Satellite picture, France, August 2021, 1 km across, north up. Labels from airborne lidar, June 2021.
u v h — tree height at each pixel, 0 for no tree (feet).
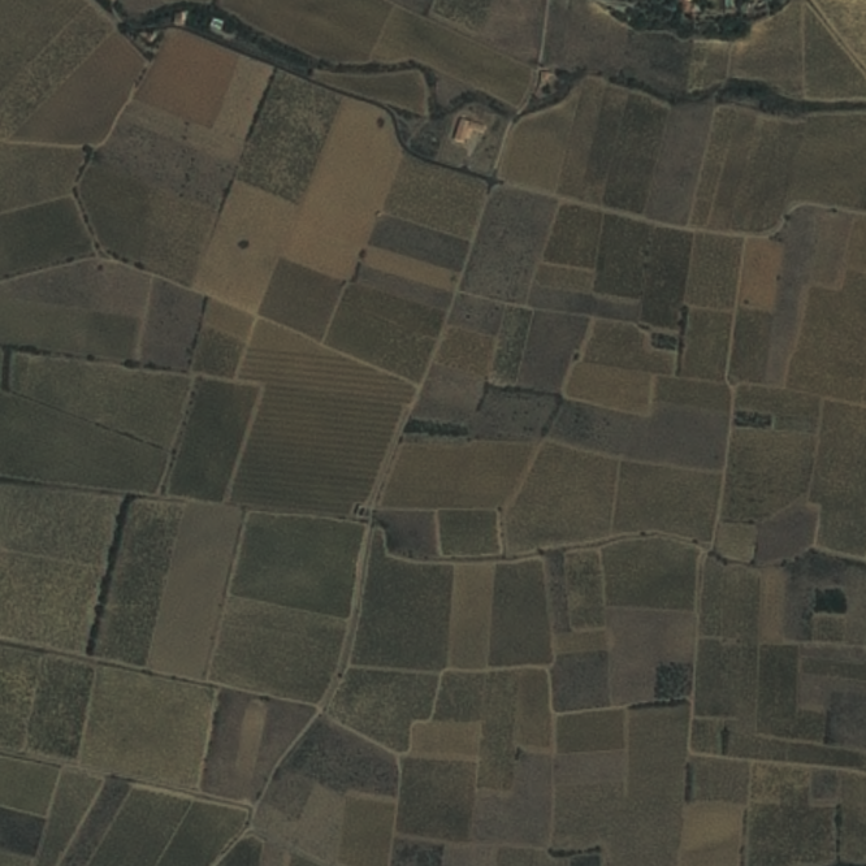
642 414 0
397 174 0
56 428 0
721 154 0
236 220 0
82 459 0
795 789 0
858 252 0
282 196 0
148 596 0
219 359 0
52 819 0
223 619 0
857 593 0
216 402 0
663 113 0
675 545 0
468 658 0
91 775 0
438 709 0
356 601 0
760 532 0
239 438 0
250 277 0
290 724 0
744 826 0
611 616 0
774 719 0
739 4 35
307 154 0
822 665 0
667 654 0
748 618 0
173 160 0
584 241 0
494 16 0
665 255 0
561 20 0
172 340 0
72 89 0
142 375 0
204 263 0
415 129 0
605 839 0
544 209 0
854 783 0
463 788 0
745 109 0
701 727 0
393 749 0
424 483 0
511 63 0
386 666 0
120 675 0
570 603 0
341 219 0
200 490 0
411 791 0
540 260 0
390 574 0
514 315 0
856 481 0
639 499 0
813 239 0
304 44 0
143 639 0
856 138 0
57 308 0
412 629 0
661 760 0
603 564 0
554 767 0
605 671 0
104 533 0
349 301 0
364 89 0
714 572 0
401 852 0
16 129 0
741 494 0
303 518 0
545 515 0
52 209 0
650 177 0
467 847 0
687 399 0
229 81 0
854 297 0
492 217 0
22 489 0
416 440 0
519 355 0
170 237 0
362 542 0
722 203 0
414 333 0
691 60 0
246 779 0
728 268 0
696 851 0
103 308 0
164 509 0
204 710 0
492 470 0
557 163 0
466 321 0
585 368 0
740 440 0
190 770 0
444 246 0
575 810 0
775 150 0
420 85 0
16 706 0
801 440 0
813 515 0
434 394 0
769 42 0
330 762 0
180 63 0
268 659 0
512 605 0
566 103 0
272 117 0
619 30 0
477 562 0
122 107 0
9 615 0
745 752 0
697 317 0
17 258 0
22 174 0
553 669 0
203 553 0
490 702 0
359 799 0
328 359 0
